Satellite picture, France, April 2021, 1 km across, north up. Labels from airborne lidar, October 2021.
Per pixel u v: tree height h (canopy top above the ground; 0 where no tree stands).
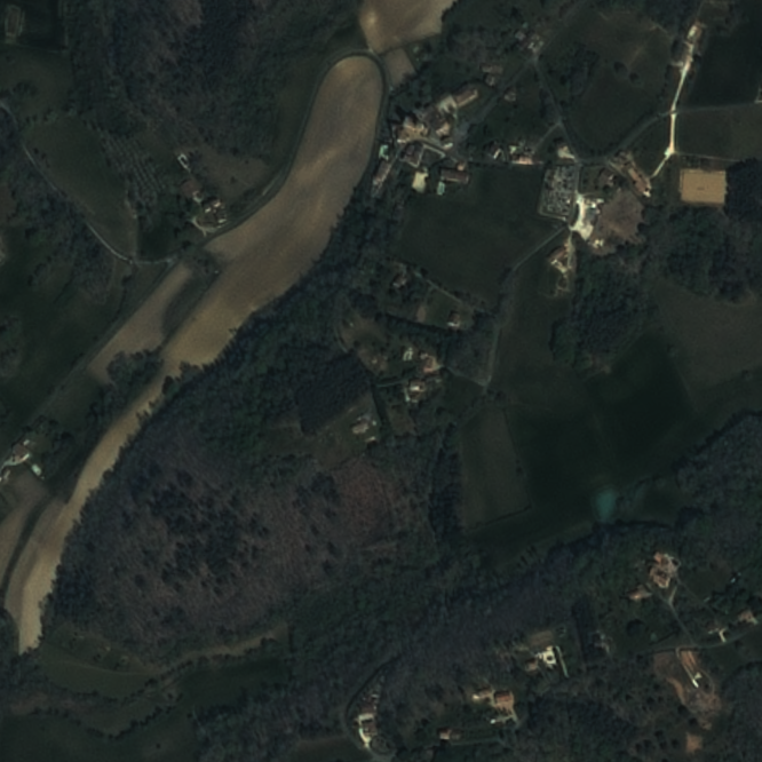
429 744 0
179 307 0
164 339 0
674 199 0
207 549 12
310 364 20
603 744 15
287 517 8
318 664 9
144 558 13
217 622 14
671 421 0
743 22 8
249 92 12
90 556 14
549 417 0
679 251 22
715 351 0
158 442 16
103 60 7
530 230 0
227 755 22
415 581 13
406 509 12
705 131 0
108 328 8
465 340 21
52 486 0
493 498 0
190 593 14
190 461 11
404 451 19
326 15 15
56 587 10
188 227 7
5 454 0
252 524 9
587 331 17
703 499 20
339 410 19
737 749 13
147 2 15
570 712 14
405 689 14
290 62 21
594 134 0
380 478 9
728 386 0
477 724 8
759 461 17
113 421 16
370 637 18
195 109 13
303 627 15
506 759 11
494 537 0
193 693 0
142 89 14
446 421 17
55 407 0
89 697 6
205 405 11
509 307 13
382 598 17
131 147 19
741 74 0
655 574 0
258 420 15
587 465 0
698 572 10
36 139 0
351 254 8
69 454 18
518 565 0
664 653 0
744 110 0
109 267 13
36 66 0
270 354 26
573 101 12
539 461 0
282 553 12
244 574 11
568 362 23
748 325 0
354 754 0
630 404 0
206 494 8
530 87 0
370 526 7
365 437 0
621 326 23
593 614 13
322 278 13
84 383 0
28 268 0
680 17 21
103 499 15
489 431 0
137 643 17
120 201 0
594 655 17
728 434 11
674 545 14
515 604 18
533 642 0
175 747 0
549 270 0
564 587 21
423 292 11
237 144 13
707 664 7
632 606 15
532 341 0
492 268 0
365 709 0
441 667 20
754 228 18
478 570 6
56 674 0
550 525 0
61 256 12
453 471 21
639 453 0
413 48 0
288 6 17
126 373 30
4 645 21
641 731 9
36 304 0
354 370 15
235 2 18
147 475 15
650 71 0
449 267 0
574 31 0
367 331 0
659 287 0
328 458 0
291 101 0
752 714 15
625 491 0
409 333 11
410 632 17
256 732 16
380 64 0
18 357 15
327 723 15
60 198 13
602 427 0
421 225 0
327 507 12
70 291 8
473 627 18
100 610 19
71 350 0
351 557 15
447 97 10
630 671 7
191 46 14
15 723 0
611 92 0
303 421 17
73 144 0
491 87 8
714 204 0
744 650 14
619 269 17
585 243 12
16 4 0
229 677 0
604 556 19
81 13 7
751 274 16
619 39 0
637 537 18
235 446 15
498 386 0
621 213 0
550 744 19
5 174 19
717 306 0
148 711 0
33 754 0
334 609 16
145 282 0
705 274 14
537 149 0
